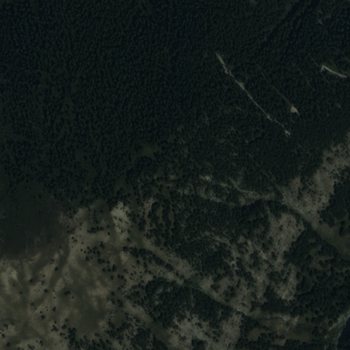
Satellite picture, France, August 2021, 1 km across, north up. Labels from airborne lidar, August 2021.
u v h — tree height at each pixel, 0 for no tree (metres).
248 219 24
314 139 16
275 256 17
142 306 9
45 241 0
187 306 10
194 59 17
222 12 24
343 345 15
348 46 21
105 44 16
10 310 0
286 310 15
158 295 11
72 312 0
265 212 11
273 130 20
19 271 0
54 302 0
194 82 21
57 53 11
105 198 17
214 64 24
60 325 0
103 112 18
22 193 0
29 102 9
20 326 0
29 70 12
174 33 12
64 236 0
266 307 19
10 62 8
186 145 15
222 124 16
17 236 0
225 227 13
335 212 31
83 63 17
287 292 0
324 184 0
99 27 22
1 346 0
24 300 0
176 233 16
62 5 7
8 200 0
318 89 23
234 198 20
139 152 18
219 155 19
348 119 16
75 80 18
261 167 19
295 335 0
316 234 21
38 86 19
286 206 7
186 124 18
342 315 27
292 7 5
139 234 0
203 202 11
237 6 20
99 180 12
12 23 9
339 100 19
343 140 12
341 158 0
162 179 15
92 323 0
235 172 18
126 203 15
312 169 23
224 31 26
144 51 17
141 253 11
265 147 23
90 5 19
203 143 22
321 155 13
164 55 12
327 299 22
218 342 7
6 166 10
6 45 7
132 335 12
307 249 29
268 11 18
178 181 7
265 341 11
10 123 6
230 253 19
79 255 0
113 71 22
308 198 0
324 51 19
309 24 16
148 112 11
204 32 23
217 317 11
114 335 14
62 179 7
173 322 12
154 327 0
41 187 0
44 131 9
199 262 7
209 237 16
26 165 9
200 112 15
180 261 0
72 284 0
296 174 21
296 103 23
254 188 17
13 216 0
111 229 0
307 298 20
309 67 21
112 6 19
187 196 8
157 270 0
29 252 0
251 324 23
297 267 17
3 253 0
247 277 14
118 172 15
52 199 0
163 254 0
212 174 9
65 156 13
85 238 0
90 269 0
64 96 14
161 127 15
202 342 9
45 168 10
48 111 14
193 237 13
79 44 16
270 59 21
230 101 25
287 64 22
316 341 13
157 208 14
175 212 18
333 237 0
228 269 11
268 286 7
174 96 21
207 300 16
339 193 28
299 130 24
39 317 0
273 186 16
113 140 16
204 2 20
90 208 6
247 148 23
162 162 16
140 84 20
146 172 13
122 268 0
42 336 0
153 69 19
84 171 6
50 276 0
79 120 16
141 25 18
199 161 21
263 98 23
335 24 12
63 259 0
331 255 23
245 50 23
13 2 24
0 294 0
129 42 16
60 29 9
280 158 28
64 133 0
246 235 18
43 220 0
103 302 0
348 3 14
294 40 27
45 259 0
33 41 15
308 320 16
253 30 20
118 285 0
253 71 25
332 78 22
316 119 19
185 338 10
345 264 25
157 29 11
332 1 7
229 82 24
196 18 16
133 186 12
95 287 0
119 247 0
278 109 27
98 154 13
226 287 0
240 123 22
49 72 16
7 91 7
